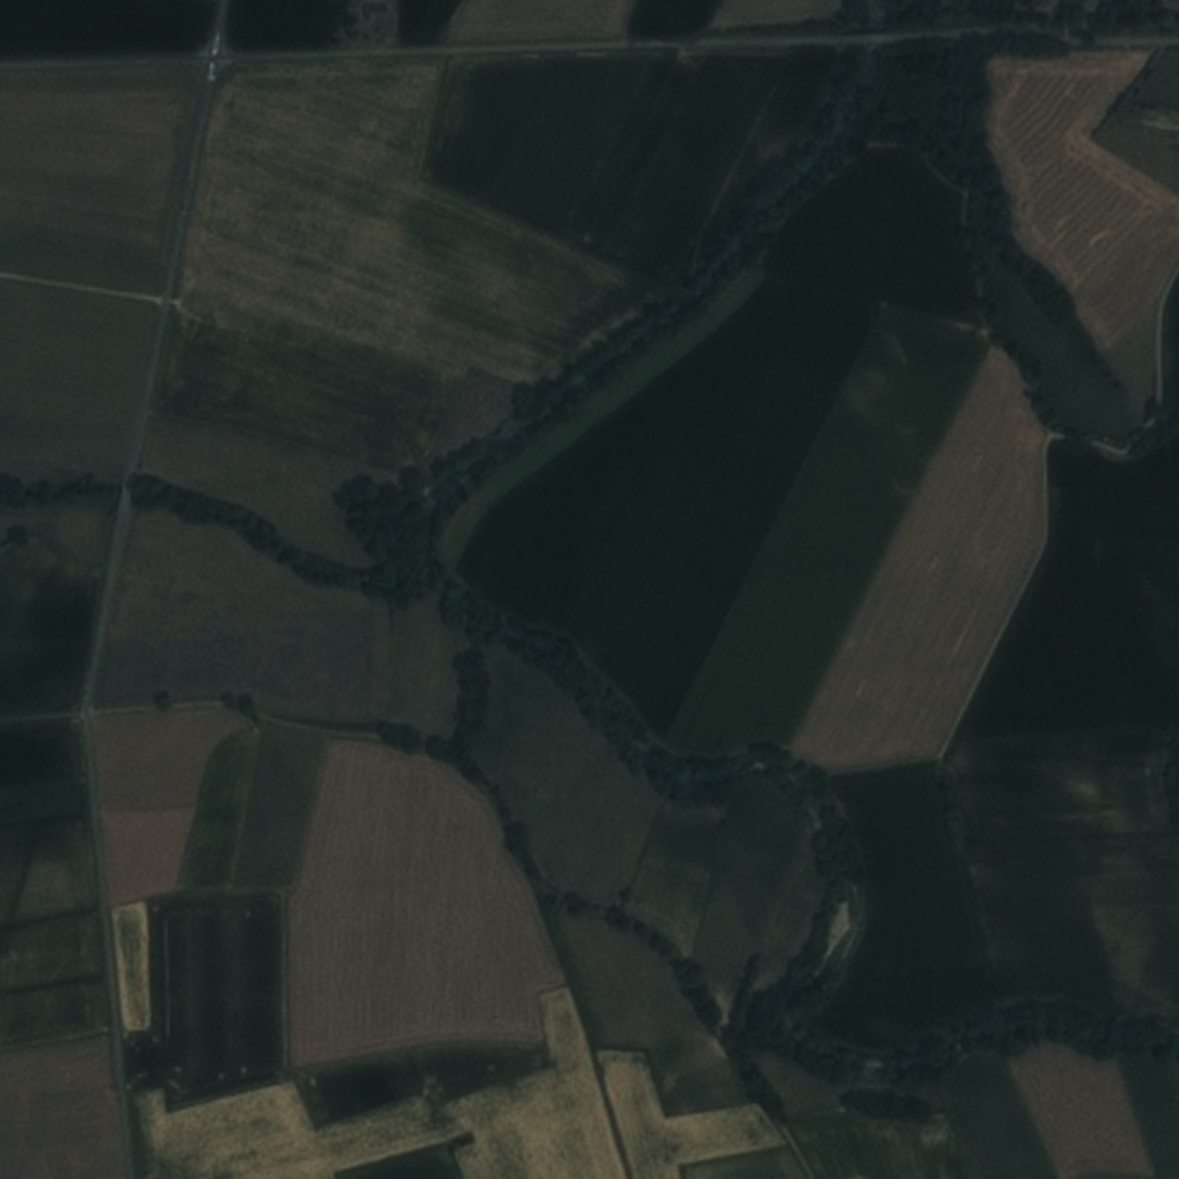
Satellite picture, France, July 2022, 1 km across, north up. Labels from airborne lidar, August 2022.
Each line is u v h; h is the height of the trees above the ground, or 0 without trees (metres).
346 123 0
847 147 17
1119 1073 0
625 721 27
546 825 0
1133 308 0
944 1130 0
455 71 0
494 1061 0
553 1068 0
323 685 0
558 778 0
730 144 0
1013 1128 0
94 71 0
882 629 0
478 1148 0
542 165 0
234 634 0
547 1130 0
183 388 0
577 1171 0
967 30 0
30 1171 0
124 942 0
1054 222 0
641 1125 0
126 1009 0
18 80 0
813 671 0
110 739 0
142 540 0
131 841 0
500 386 0
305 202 0
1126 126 0
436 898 0
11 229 0
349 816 0
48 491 16
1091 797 0
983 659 0
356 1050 0
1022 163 0
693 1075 0
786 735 0
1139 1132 0
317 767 0
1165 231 0
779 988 13
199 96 0
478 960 0
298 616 0
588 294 0
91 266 0
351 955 0
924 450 0
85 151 0
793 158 22
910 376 0
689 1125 0
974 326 0
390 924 0
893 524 0
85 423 0
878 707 0
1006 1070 0
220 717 0
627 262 0
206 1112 0
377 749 0
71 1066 0
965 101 25
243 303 0
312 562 9
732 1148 0
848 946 0
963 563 0
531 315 0
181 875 0
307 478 0
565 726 0
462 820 0
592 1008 0
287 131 0
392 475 0
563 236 0
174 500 14
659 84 0
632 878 0
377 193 0
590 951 0
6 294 0
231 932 0
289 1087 0
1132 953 0
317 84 0
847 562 0
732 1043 12
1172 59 0
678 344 0
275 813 0
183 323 0
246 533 12
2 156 0
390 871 0
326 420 0
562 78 0
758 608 0
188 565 0
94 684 0
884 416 0
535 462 0
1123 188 0
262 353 0
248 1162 0
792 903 0
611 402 0
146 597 0
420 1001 0
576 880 0
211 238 0
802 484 0
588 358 16
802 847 0
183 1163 0
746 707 0
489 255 0
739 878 0
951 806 12
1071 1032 22
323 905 0
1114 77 0
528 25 0
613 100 0
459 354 0
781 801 0
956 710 0
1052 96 0
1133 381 0
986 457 0
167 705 11
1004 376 0
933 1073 28
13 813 0
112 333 0
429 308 0
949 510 0
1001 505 0
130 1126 0
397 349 0
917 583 0
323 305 0
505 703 0
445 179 0
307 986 0
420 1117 0
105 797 0
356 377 0
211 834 0
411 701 0
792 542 0
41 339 0
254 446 0
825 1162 0
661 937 10
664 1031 0
